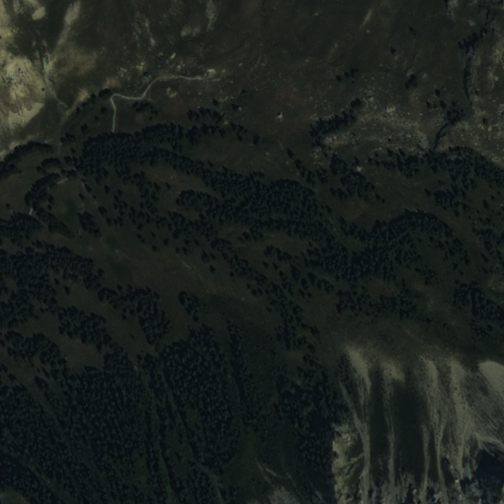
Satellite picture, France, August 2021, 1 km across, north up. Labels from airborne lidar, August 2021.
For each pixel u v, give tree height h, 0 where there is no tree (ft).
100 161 54
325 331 0
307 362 47
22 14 0
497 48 0
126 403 28
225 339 0
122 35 0
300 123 0
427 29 0
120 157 54
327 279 0
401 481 0
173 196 0
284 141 0
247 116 0
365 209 0
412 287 0
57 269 24
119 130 0
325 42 0
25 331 0
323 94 0
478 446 0
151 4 0
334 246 64
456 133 0
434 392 0
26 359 75
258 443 0
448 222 0
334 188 0
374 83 0
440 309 0
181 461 49
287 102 0
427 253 0
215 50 0
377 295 0
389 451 0
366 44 0
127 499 40
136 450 34
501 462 0
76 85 0
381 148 0
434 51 0
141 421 35
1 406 46
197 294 0
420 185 0
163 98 0
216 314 0
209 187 39
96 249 0
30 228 55
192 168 49
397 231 26
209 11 0
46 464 55
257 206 52
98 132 0
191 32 0
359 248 0
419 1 0
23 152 54
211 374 74
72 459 22
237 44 0
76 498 51
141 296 60
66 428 52
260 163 0
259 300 0
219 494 0
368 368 0
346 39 0
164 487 28
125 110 0
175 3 0
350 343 0
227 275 0
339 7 0
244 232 0
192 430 0
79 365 0
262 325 0
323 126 42
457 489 0
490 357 0
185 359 57
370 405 0
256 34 0
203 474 21
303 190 68
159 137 54
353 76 29
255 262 0
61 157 0
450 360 0
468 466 0
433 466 0
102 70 0
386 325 0
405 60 0
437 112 0
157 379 62
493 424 0
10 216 0
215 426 35
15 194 0
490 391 0
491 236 58
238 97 0
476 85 0
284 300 61
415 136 0
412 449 0
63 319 51
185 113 0
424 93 0
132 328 0
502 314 20
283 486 0
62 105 0
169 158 68
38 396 0
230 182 45
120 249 0
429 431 0
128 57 0
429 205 0
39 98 0
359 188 56
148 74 23
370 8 0
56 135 0
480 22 0
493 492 0
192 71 0
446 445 0
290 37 0
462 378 0
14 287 0
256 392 37
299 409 34
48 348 48
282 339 34
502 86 0
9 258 28
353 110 26
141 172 0
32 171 0
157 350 41
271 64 0
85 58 0
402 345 0
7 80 0
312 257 58
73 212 0
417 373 0
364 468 0
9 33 0
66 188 0
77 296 0
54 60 0
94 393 39
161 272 0
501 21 0
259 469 0
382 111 0
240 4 0
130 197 0
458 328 0
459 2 0
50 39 0
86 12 0
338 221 0
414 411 0
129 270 0
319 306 0
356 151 0
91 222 54
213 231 50
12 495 0
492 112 0
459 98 0
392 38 0
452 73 0
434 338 0
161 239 0
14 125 0
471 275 0
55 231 51
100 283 53
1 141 0
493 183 64
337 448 0
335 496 0
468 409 0
